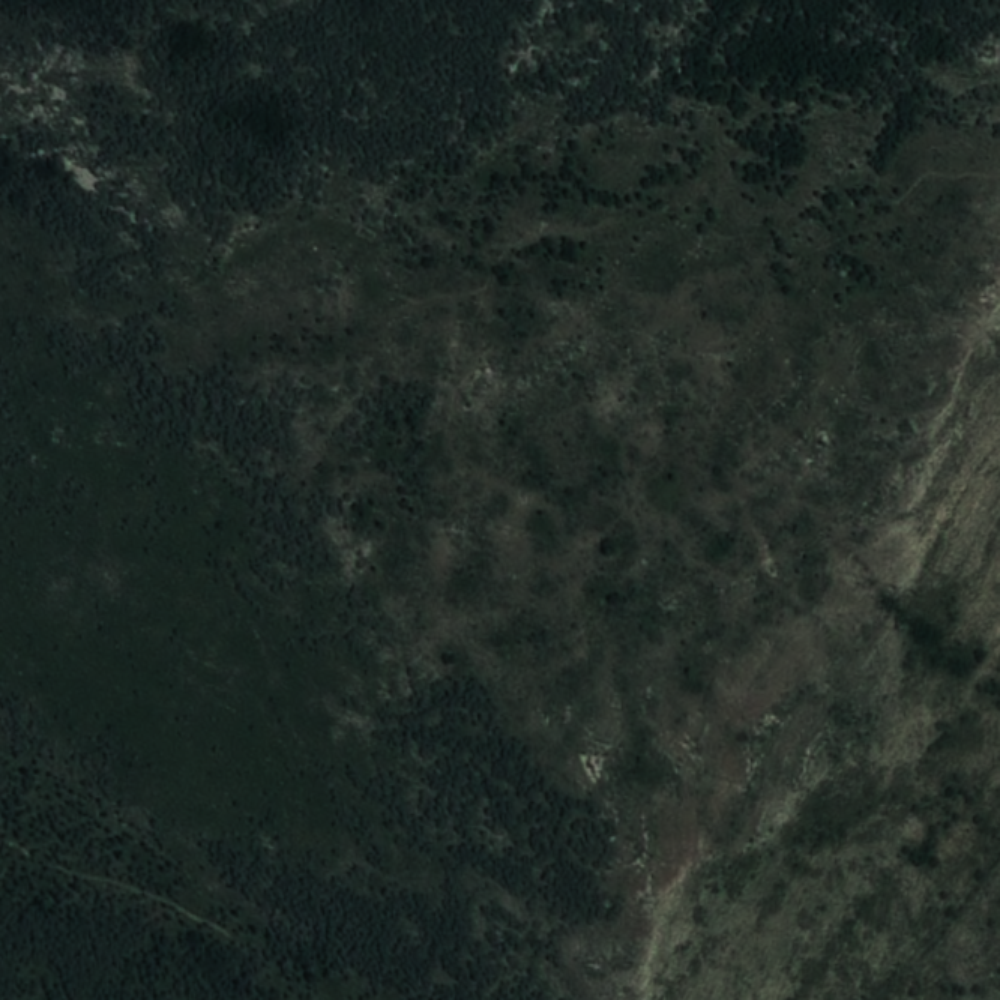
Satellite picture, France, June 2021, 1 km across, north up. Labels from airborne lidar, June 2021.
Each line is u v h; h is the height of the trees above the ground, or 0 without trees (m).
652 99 6
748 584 0
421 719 7
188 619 0
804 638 0
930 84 9
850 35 10
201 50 15
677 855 0
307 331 9
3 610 0
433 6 8
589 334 0
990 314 0
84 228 9
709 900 0
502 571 0
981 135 0
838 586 0
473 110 7
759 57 15
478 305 0
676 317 0
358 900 9
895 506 0
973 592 0
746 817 0
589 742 0
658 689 0
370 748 0
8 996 13
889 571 0
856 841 0
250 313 0
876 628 0
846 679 0
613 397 0
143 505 0
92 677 0
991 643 0
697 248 0
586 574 0
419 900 8
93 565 0
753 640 0
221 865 10
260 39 8
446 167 7
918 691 0
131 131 11
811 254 0
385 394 9
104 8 9
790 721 0
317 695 0
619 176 0
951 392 0
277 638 0
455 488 0
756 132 13
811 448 0
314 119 8
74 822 10
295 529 10
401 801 9
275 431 8
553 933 6
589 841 7
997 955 0
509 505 0
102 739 9
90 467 0
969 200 0
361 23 10
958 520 0
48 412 0
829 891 0
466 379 0
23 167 8
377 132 10
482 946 8
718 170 0
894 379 0
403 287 0
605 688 0
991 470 0
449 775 6
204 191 7
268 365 0
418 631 0
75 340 9
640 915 0
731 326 0
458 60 9
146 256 9
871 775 0
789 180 13
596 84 9
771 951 0
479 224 10
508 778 9
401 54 10
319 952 10
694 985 0
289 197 6
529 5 7
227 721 0
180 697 0
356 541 0
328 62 6
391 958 9
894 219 0
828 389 0
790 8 8
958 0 11
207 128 12
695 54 17
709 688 0
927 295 0
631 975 0
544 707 0
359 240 0
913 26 14
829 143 0
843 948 0
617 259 0
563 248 8
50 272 0
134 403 7
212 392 10
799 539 0
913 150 0
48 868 10
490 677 0
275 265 0
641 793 0
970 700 0
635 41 9
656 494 0
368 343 0
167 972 8
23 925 13
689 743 0
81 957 14
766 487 0
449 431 0
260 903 9
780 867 0
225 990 9
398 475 7
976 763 0
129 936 12
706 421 0
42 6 6
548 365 0
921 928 0
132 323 9
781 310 0
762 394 0
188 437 7
